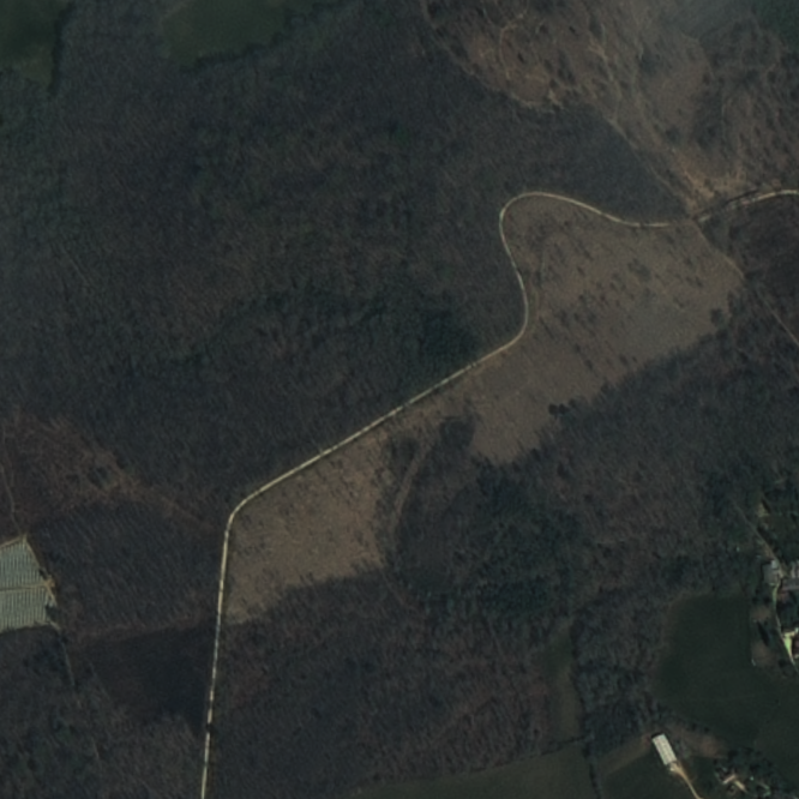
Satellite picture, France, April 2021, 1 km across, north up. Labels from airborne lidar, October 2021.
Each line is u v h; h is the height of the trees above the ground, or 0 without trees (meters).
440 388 27
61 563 16
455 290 17
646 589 27
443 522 11
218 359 28
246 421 19
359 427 26
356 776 13
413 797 0
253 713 11
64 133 23
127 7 22
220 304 26
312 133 17
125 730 10
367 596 13
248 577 0
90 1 22
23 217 26
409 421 25
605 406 16
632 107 14
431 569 11
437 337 29
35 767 23
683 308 0
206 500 9
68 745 24
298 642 9
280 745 12
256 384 19
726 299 0
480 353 25
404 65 22
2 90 16
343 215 18
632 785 0
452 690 20
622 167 18
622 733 11
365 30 23
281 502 0
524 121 20
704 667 0
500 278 21
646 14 0
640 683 22
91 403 23
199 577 22
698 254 0
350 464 22
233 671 20
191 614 16
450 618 21
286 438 22
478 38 0
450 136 20
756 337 20
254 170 24
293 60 22
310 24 14
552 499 18
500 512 20
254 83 22
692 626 0
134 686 0
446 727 20
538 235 17
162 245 21
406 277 20
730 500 23
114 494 6
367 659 13
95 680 19
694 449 25
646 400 21
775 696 0
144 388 28
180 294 19
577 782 0
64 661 13
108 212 24
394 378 29
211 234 18
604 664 14
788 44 26
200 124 20
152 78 21
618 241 0
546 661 0
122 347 32
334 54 20
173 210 19
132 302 24
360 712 11
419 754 8
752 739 0
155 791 17
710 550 18
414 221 25
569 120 18
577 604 24
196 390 25
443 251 22
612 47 0
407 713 13
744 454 25
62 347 26
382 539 23
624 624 24
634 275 20
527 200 0
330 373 27
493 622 26
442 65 21
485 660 21
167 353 29
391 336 28
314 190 21
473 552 19
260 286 24
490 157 19
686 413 20
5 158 23
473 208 17
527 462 10
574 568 18
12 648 14
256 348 23
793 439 25
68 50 21
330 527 0
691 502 23
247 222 26
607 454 19
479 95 17
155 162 18
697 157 0
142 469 17
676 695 0
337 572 0
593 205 13
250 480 19
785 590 0
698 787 0
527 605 29
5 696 16
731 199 0
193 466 15
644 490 21
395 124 18
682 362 7
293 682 11
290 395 23
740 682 0
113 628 10
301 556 0
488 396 0
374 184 20
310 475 0
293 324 24
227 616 0
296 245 21
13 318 25
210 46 0
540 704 10
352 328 26
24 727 15
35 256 21
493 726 8
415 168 24
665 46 18
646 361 0
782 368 23
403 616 12
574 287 0
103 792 21
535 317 0
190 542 17
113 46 18
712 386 12
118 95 20
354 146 19
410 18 22
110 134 19
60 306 25
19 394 22
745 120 13
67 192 24
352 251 29
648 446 18
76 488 21
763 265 21
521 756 20
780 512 12
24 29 0
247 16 0
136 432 24
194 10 0
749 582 20
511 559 16
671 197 15
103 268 29
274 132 21
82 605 16
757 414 27
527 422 0
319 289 19
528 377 0
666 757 0
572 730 0
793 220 17
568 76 9
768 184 21
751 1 21
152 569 19
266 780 13
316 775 11
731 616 0
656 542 22
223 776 11
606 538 18
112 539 17
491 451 0
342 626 18
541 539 15
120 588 18
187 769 22
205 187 32
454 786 0
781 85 22
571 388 0
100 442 22
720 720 0
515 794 0
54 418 22
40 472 6
